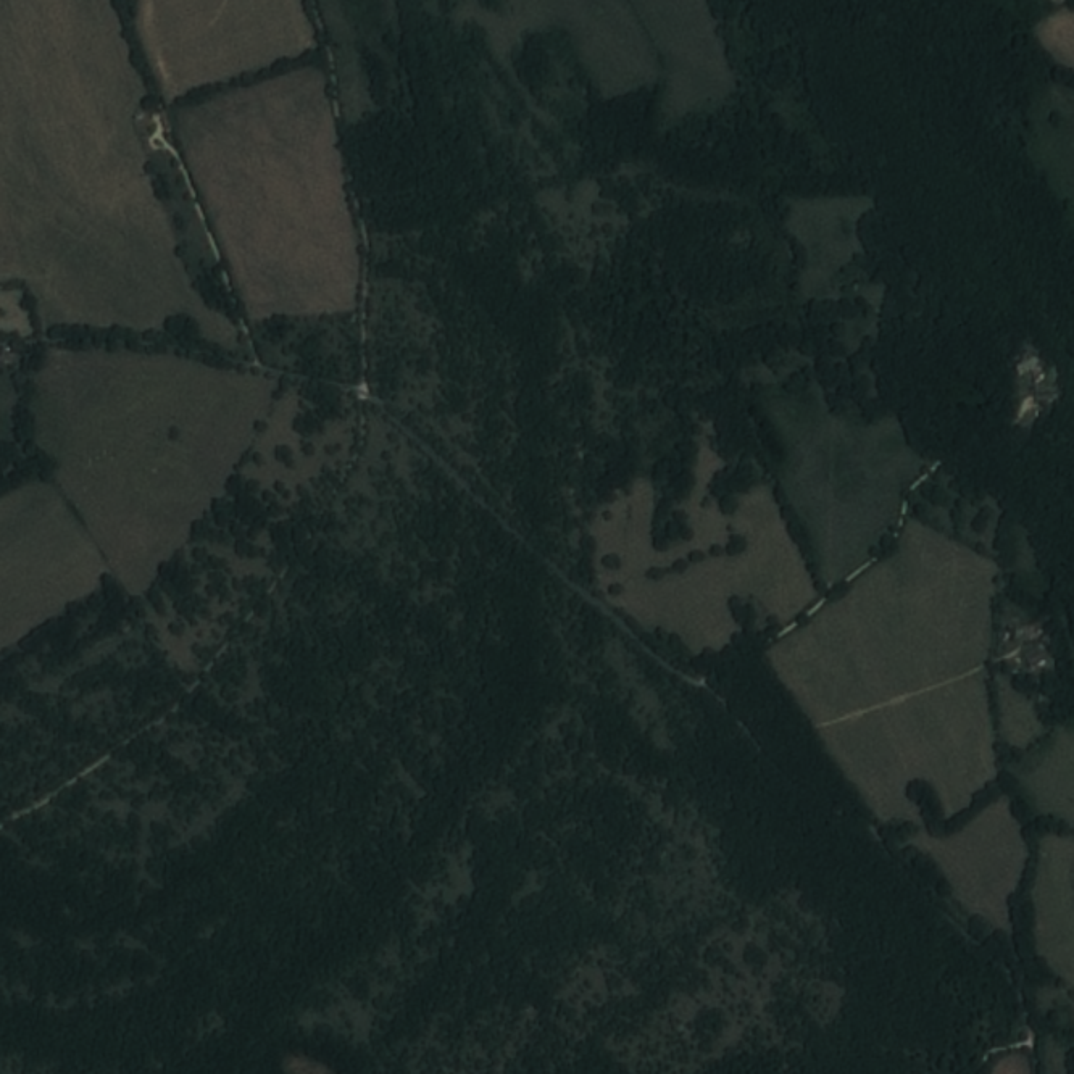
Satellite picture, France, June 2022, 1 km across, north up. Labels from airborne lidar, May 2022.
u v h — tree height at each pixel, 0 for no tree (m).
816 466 0
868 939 12
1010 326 15
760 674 14
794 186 7
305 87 0
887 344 12
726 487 12
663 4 0
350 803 9
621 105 13
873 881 14
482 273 10
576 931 7
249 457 6
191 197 6
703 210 11
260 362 8
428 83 9
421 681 10
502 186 7
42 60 0
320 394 8
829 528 0
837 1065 10
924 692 0
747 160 11
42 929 6
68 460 0
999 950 12
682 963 8
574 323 8
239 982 7
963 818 12
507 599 8
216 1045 9
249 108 0
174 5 0
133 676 7
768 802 14
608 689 7
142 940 6
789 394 15
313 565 11
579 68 7
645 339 9
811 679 0
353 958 6
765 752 11
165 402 0
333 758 10
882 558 7
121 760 6
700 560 12
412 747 6
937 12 17
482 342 6
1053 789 0
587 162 9
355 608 8
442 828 9
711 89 0
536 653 7
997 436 16
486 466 6
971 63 20
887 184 14
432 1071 7
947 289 11
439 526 9
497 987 8
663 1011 7
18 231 0
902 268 10
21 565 0
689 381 9
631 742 7
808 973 7
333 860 6
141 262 0
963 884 0
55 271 0
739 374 10
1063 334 18
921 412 20
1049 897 0
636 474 11
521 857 8
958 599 0
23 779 7
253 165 0
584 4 0
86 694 7
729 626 0
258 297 0
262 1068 8
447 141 11
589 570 7
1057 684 11
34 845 6
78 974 7
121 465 0
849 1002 8
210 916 5
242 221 0
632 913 6
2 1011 6
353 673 9
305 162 0
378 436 0
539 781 10
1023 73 16
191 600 9
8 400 0
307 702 12
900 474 0
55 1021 7
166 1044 6
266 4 0
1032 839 11
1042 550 14
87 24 0
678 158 12
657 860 7
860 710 0
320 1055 8
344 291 0
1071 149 0
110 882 7
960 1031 14
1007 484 17
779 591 0
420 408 8
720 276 9
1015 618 0
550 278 7
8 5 0
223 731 8
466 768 8
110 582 14
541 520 9
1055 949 0
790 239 8
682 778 8
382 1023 6
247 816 6
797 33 14
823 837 12
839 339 11
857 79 14
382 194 9
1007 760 10
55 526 0
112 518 0
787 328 11
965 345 24
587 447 8
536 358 8
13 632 0
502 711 12
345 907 6
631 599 0
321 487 6
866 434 0
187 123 0
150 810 0
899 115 11
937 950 13
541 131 7
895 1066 12
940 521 7
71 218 0
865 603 0
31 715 8
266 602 7
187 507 0
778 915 6
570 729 9
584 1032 7
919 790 16
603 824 8
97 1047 6
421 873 9
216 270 8
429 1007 7
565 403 10
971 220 15
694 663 9
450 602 8
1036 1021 13
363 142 11
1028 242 16
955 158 15
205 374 0
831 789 16
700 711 8
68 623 8
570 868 8
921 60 15
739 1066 10
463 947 9
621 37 0
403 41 9
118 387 0
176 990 6
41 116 0
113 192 0
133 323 0
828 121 14
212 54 0
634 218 11
